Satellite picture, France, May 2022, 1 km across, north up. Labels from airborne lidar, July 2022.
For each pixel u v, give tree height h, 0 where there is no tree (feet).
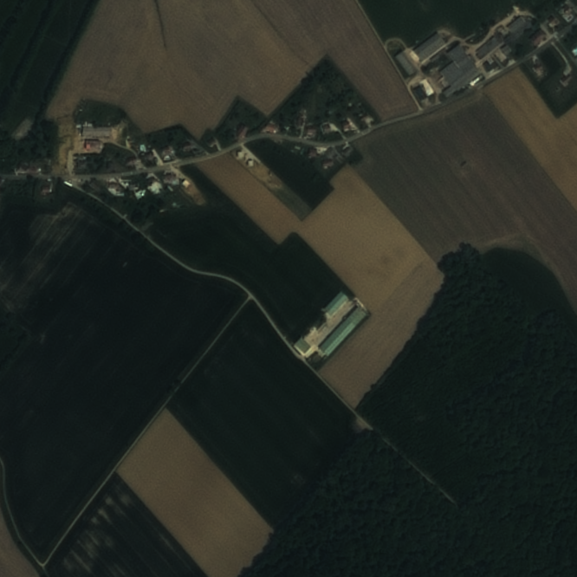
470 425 69
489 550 42
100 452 0
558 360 93
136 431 0
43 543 0
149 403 0
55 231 0
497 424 56
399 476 78
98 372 0
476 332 55
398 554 86
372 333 0
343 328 0
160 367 0
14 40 0
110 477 0
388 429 18
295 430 0
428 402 17
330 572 85
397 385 19
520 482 70
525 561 69
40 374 0
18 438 0
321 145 0
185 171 0
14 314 24
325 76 21
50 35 0
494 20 0
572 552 93
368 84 0
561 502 52
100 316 0
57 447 0
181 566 0
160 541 0
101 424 0
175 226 0
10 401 0
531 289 0
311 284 0
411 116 0
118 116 0
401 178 0
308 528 79
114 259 0
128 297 0
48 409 0
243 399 0
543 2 0
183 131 34
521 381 68
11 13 0
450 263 57
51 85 50
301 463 0
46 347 0
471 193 0
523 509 82
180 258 0
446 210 0
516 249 0
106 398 0
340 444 0
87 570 0
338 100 28
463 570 73
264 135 0
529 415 70
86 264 0
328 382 0
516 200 0
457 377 20
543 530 84
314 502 58
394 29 0
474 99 0
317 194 0
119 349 0
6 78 0
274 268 0
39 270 0
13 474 0
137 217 56
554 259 0
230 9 0
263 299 0
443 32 0
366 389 0
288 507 0
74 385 0
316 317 0
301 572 76
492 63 0
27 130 0
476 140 0
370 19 0
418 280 0
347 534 76
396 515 52
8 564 0
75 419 0
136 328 0
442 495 45
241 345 0
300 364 0
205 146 0
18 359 0
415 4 0
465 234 0
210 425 0
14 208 0
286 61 0
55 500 0
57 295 0
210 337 0
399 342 0
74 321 0
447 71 0
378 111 0
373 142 0
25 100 0
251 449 0
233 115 18
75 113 0
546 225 0
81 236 0
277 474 0
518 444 61
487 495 67
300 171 0
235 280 0
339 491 92
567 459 78
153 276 0
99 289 0
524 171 0
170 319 0
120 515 0
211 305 0
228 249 0
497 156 0
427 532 63
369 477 72
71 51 41
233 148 0
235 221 0
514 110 0
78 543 0
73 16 0
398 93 0
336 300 0
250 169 0
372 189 0
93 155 26
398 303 0
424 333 53
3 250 0
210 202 0
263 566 39
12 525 0
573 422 65
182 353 0
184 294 0
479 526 68
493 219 0
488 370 21
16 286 0
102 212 41
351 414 0
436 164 0
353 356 0
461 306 90
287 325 0
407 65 0
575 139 0
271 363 0
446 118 0
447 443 19
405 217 0
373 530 68
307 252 0
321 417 0
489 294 59
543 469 81
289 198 0
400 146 0
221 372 0
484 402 77
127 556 0
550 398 39
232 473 0
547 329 69
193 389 0
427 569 72
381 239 0
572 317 0
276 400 0
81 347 0
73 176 0
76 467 0
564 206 0
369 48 0
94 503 0
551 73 0
